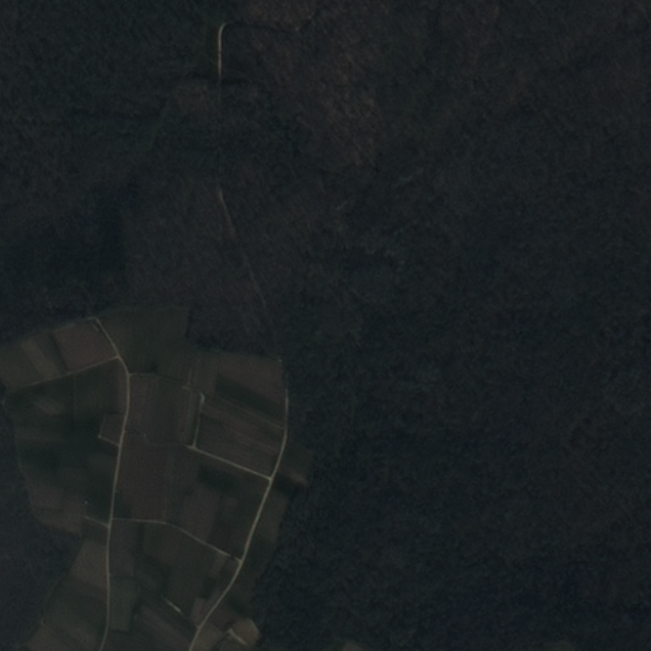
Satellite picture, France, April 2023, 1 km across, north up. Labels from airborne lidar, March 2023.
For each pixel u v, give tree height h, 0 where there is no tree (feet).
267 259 82
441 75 75
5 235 79
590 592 72
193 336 50
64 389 0
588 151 83
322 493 70
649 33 70
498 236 68
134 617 0
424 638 65
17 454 56
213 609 0
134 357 0
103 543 0
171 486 0
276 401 0
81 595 0
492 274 58
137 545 0
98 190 74
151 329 0
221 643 0
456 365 77
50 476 0
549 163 67
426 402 79
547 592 76
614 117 67
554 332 83
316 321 93
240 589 0
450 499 68
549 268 76
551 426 67
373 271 124
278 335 79
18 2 93
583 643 76
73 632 0
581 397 71
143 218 75
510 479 73
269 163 75
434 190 82
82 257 66
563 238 84
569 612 68
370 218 95
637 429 65
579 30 73
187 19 91
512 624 79
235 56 0
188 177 78
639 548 66
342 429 70
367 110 94
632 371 89
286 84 82
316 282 64
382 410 73
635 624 87
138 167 75
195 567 0
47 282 61
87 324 0
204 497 0
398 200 89
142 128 67
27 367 0
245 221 66
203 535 0
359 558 78
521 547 85
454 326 73
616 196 83
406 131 99
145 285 77
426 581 76
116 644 0
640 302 79
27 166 18
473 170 67
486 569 64
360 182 92
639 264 64
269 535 0
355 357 97
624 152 90
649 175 67
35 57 88
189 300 63
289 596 89
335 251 63
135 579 0
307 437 49
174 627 0
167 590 0
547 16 81
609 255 60
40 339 0
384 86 65
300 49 81
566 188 64
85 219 33
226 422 0
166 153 69
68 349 0
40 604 59
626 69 83
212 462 0
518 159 71
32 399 0
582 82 66
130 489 0
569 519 52
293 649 81
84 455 0
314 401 68
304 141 101
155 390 0
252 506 0
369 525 72
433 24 58
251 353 53
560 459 60
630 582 72
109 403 0
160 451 0
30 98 84
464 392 70
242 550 0
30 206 68
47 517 0
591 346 85
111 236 75
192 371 0
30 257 89
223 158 46
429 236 86
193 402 0
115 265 79
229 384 0
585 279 85
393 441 78
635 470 54
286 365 54
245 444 0
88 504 0
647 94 67
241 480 0
